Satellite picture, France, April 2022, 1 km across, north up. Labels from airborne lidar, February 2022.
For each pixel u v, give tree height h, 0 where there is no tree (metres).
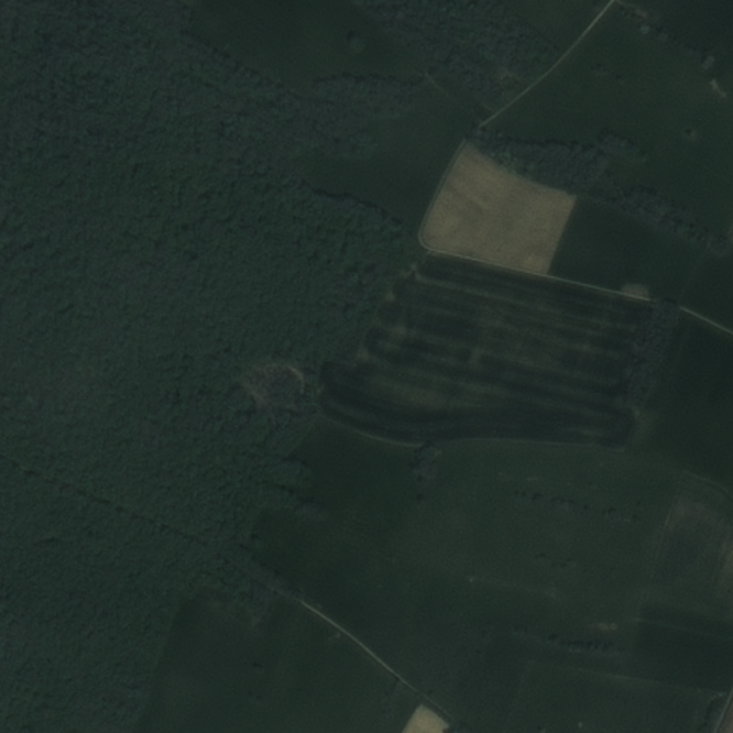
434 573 0
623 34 0
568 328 0
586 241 0
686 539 0
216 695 0
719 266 0
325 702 0
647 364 16
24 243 29
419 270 0
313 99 0
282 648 0
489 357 0
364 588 0
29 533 26
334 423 0
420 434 0
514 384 0
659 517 0
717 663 0
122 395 28
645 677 0
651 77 0
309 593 0
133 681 22
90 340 27
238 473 22
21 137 28
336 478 0
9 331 30
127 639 26
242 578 21
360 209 17
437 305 0
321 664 0
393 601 0
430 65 21
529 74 22
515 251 0
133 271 27
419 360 0
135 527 22
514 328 0
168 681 0
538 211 0
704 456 0
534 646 0
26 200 26
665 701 0
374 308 14
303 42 0
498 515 0
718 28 0
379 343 0
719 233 0
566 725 0
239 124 16
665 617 0
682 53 0
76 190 25
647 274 0
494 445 0
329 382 0
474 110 0
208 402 26
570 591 0
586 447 0
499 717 0
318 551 0
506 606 0
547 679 0
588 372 0
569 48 0
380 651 0
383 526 0
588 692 0
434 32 19
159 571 28
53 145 25
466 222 0
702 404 0
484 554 0
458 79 26
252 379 0
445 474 0
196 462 24
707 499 0
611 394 0
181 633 0
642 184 0
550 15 0
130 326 24
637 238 0
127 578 22
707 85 0
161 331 29
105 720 25
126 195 29
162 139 21
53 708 16
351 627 0
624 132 0
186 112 27
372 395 0
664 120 0
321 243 20
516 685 0
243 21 0
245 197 24
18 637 24
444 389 0
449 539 0
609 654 13
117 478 21
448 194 0
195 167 26
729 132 0
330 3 0
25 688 24
